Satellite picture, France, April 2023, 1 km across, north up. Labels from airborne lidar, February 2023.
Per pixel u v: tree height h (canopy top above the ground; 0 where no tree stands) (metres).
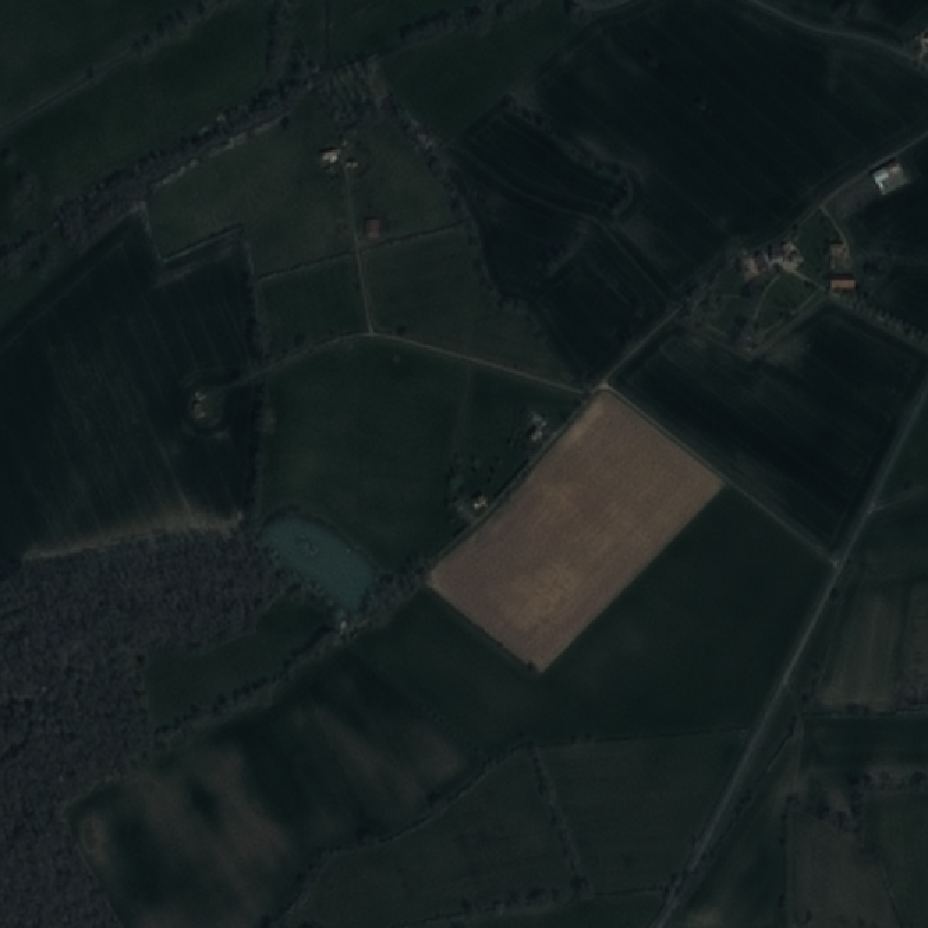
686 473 0
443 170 19
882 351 0
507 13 19
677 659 0
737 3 0
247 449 0
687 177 0
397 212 0
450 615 0
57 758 16
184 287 0
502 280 0
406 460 0
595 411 0
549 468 0
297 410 0
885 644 0
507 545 0
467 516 0
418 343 0
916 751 0
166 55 0
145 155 0
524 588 0
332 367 0
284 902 0
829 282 14
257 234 0
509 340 0
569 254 21
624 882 0
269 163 0
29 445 0
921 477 0
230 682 0
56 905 22
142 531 0
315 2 0
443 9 0
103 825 0
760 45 0
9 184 0
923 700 0
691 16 0
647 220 0
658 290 0
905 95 0
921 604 0
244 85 0
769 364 0
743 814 8
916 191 0
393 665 0
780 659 0
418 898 0
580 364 0
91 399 0
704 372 0
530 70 0
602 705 0
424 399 0
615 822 0
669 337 0
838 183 0
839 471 0
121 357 0
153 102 0
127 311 0
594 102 0
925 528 0
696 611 0
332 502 0
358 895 0
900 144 0
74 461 0
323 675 0
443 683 0
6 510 0
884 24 0
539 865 0
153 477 0
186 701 0
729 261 0
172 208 0
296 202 0
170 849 0
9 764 17
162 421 0
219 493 0
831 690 0
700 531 0
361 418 0
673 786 0
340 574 0
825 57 0
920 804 0
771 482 0
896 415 0
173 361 0
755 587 0
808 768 0
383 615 12
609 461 0
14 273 19
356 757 0
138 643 25
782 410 0
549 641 0
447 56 0
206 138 8
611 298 0
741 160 0
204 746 0
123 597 23
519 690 0
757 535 0
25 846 22
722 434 0
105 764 21
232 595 22
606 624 0
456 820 0
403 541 0
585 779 0
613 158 0
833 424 0
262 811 0
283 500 0
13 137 0
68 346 0
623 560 0
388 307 0
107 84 0
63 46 0
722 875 0
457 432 0
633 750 0
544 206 0
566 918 0
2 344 0
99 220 15
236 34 0
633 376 0
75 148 0
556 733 0
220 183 0
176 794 0
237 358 0
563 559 0
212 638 20
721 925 0
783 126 0
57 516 0
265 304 0
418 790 0
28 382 0
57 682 22
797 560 0
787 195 0
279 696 0
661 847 0
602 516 0
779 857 0
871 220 0
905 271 0
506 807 0
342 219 0
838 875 0
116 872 0
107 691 24
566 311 0
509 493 6
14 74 0
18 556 0
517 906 16
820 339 0
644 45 0
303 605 11
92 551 0
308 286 0
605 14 0
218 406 0
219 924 0
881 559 0
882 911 0
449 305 0
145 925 0
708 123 0
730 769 0
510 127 0
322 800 0
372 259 0
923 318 0
